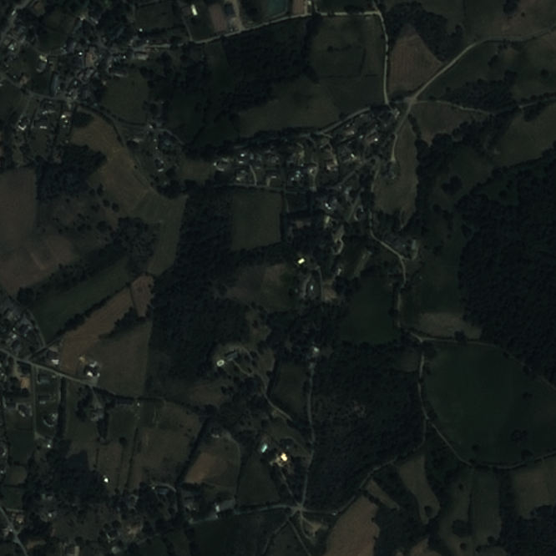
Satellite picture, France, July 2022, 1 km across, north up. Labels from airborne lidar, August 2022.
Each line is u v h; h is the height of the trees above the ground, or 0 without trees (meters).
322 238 16
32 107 0
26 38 8
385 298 0
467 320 17
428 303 0
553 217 8
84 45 13
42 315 0
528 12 0
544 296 17
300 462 11
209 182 12
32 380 0
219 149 6
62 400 6
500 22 0
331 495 8
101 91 8
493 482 0
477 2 0
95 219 0
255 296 0
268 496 0
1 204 0
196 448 12
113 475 0
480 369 0
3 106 0
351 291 24
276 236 0
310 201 20
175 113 0
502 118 14
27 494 9
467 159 0
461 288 12
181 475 10
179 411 0
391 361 15
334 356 7
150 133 7
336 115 0
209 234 13
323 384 7
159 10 0
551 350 20
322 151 5
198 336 6
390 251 6
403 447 8
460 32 9
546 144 0
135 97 0
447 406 0
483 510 0
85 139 0
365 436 7
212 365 18
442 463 13
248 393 13
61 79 7
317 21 19
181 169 0
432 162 17
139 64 0
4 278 0
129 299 0
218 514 7
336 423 7
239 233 0
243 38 7
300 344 17
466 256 14
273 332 9
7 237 0
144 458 0
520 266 7
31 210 0
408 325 0
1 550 0
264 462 10
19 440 0
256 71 9
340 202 9
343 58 0
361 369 8
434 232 0
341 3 0
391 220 13
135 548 18
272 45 6
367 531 0
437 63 0
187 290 12
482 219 16
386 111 7
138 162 0
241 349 0
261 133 10
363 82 0
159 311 8
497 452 0
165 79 9
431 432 11
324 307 12
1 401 6
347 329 0
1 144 8
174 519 15
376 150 7
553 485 0
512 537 10
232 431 6
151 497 16
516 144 0
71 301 0
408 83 0
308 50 15
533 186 13
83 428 0
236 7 0
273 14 0
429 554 0
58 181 19
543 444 0
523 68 0
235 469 0
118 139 7
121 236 7
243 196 0
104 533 12
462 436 0
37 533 10
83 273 8
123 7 14
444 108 0
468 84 8
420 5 8
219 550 0
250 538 0
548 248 8
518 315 14
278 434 0
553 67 0
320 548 0
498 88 7
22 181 0
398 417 8
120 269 0
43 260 0
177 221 0
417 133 7
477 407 0
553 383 12
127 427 0
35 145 0
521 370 0
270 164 0
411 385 8
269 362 0
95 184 0
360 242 13
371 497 10
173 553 13
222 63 0
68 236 0
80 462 0
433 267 0
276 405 9
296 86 0
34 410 0
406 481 0
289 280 0
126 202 0
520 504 0
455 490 0
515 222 17
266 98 14
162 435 0
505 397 0
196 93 20
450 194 14
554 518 11
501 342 17
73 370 0
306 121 0
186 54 11
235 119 18
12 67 0
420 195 12
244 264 7
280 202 0
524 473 0
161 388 0
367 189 10
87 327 0
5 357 9
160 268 0
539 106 9
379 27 0
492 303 11
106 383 0
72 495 10
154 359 0
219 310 9
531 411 0
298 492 11
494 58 9
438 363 0
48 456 10
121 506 13
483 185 10
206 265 14
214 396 0
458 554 0
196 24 10
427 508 10
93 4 14
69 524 9
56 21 0
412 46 0
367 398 6
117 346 0
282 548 0
